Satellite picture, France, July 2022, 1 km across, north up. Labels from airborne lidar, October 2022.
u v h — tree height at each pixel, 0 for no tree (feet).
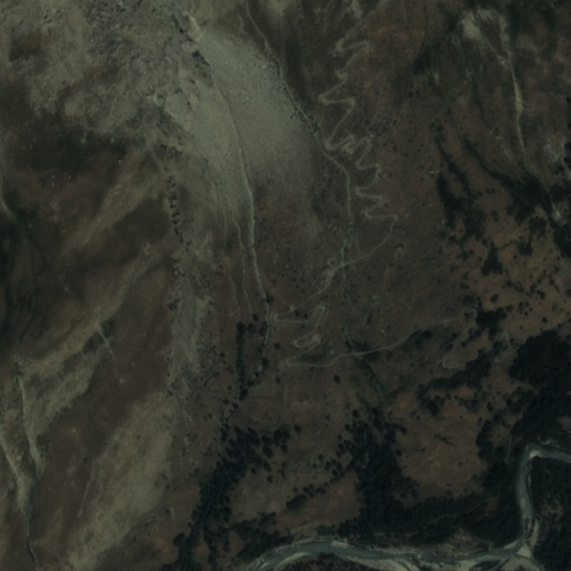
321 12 0
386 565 0
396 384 0
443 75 0
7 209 0
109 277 0
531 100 0
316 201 0
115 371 0
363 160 0
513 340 27
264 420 0
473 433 0
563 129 0
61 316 0
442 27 0
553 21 0
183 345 0
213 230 0
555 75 0
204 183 0
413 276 0
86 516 0
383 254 0
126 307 0
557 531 29
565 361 29
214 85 0
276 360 0
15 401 0
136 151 0
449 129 0
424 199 0
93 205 0
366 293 0
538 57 0
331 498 0
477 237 19
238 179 0
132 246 0
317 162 0
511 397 24
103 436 0
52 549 0
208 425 0
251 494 0
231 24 0
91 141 0
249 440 83
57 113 0
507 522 47
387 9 0
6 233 0
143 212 0
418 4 0
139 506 0
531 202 24
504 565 0
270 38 0
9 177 0
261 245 0
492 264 29
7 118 0
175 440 0
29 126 0
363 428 75
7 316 0
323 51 0
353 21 0
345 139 0
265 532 21
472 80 0
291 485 0
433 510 32
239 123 0
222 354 26
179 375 0
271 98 0
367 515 84
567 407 29
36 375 0
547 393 32
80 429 0
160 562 0
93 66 0
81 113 0
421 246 0
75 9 0
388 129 0
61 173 0
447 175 0
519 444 23
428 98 0
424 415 0
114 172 0
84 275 0
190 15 0
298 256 0
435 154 0
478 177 0
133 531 0
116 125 0
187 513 0
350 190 0
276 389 0
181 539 36
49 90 0
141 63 0
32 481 0
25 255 0
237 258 0
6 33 0
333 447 0
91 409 0
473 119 0
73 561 0
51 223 0
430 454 0
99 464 0
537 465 38
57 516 0
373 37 0
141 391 0
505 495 28
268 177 0
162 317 0
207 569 0
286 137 0
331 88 0
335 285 0
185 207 0
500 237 0
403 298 0
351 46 0
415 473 0
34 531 0
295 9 0
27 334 0
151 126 0
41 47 0
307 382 0
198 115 0
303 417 0
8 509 0
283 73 0
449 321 0
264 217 0
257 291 0
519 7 0
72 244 0
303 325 0
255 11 0
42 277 0
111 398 0
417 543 21
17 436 0
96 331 0
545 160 0
